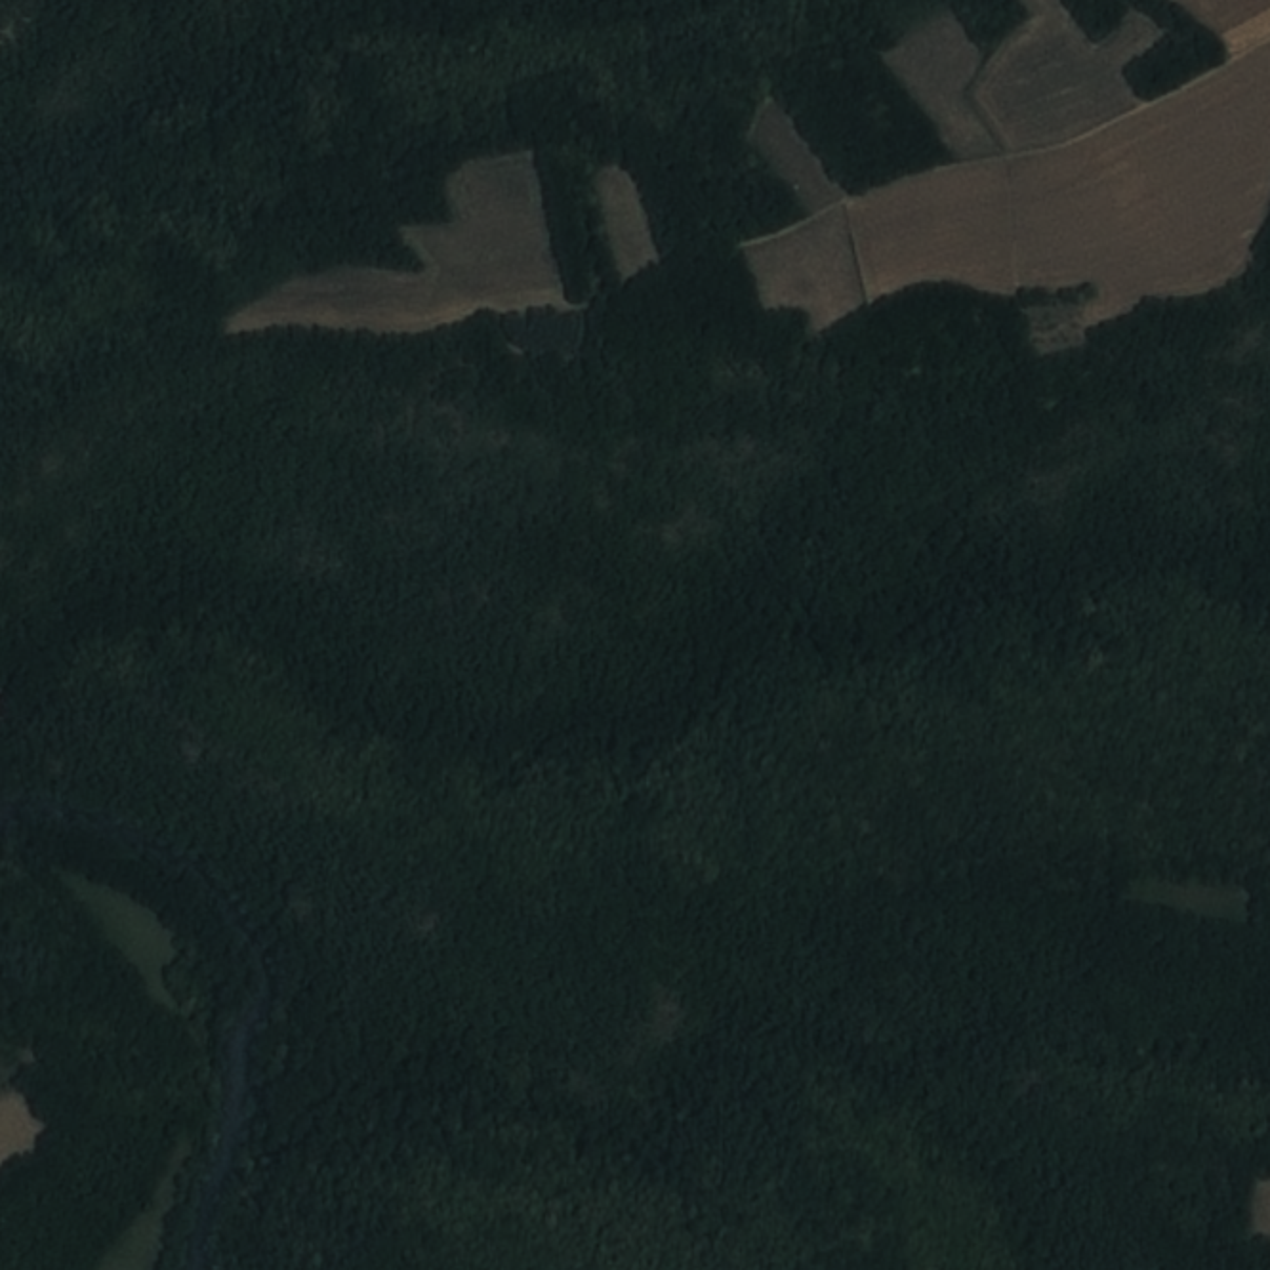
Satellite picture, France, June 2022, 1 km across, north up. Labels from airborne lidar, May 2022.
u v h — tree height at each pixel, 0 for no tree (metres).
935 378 10
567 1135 14
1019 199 0
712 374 14
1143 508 15
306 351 16
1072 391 8
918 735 17
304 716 13
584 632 10
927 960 10
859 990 13
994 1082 15
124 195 17
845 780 17
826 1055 19
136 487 13
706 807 13
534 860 16
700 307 14
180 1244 16
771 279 0
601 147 12
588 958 19
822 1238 15
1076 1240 13
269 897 7
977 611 20
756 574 17
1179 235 0
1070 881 13
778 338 17
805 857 14
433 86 12
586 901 11
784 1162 14
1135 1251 17
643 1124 21
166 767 16
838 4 11
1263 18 0
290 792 10
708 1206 17
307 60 17
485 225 0
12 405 14
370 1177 14
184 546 16
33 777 20
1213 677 12
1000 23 11
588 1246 14
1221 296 9
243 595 23
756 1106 25
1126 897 11
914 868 14
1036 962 18
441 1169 12
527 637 8
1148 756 17
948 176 0
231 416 18
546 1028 16
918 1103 15
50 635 29
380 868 11
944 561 25
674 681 17
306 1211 21
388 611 13
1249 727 14
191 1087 12
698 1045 15
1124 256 0
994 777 12
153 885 24
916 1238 14
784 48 11
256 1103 13
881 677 11
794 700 15
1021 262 0
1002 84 0
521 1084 19
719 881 12
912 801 17
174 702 8
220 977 28
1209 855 15
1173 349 11
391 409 9
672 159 19
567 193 14
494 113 9
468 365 9
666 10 19
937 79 0
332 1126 17
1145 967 12
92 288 15
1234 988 13
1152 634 14
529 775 19
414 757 20
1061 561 20
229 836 7
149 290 13
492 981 13
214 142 23
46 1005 15
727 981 14
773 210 13
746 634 24
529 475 7
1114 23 13
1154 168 0
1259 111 0
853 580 7
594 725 29
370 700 21
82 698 16
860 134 17
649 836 14
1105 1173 10
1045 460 8
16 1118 0
